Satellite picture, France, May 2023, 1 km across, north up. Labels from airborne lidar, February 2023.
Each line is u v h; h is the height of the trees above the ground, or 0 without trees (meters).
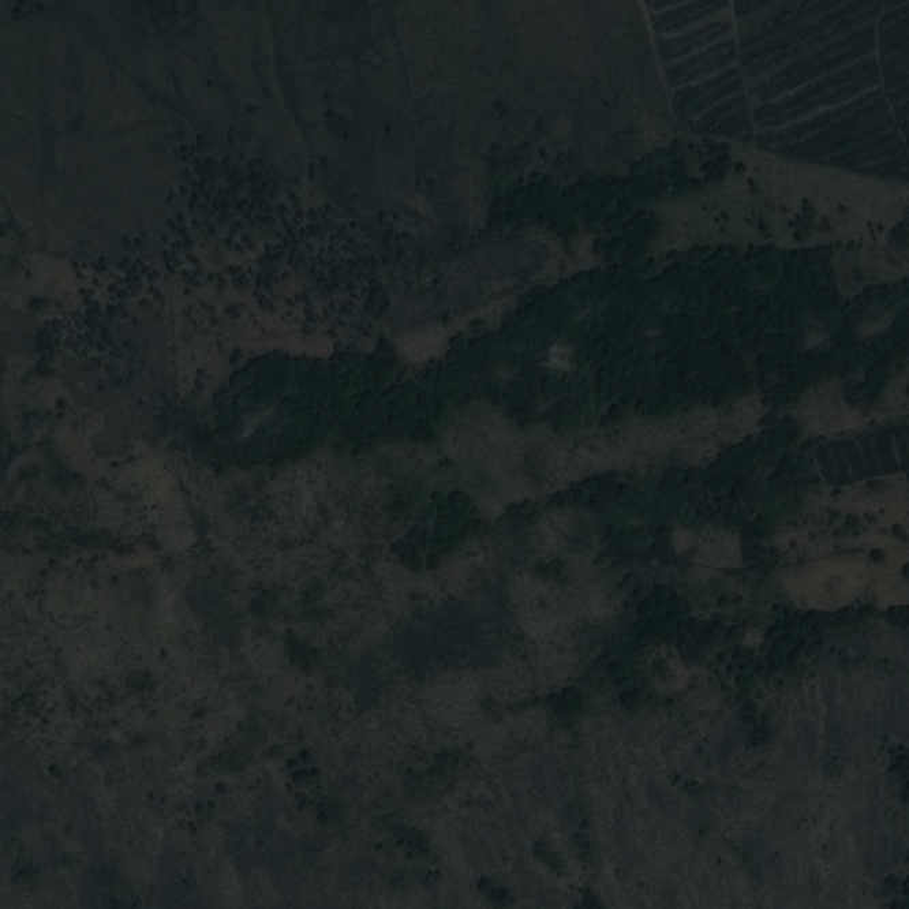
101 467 0
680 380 14
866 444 0
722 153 8
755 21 0
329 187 0
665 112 0
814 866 0
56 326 11
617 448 0
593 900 7
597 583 0
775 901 0
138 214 0
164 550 0
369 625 0
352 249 15
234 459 9
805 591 0
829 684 0
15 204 0
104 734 0
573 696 14
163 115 0
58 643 0
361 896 0
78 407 0
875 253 0
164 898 0
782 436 11
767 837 0
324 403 9
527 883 0
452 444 0
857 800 0
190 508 0
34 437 0
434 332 0
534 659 0
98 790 0
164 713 0
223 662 0
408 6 0
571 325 7
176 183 0
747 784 0
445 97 0
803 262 14
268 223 13
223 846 0
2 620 0
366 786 0
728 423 0
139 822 0
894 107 0
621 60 0
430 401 9
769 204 0
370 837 0
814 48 0
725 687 6
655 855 0
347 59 0
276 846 0
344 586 0
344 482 0
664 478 7
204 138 11
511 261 0
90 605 0
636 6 0
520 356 11
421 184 8
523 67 0
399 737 0
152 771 0
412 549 14
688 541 0
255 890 0
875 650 0
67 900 0
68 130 0
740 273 13
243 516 0
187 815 0
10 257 0
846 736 0
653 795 0
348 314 17
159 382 0
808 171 0
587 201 11
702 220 0
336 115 10
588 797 0
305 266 15
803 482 6
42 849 0
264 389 11
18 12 11
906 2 0
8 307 0
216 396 5
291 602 0
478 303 0
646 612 11
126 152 0
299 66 0
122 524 0
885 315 6
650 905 0
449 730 0
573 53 0
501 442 0
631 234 10
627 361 11
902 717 0
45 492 0
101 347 12
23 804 0
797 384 14
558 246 0
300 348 0
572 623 0
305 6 0
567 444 0
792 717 0
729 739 0
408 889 0
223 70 0
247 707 0
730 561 0
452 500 11
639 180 7
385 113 0
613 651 6
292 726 0
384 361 9
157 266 0
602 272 10
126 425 0
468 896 0
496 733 0
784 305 10
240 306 7
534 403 8
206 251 0
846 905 0
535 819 0
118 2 0
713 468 12
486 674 0
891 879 10
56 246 0
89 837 0
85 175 0
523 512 8
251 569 0
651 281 7
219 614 0
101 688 0
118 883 0
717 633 14
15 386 0
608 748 0
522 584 0
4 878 0
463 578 0
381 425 11
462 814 0
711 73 0
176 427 0
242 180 15
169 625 0
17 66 0
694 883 0
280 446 14
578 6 0
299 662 6
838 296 10
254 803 0
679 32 0
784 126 0
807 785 0
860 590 0
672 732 0
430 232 0
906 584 0
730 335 12
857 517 9
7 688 0
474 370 10
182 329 0
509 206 11
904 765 15
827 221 11
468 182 0
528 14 0
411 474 0
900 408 0
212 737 0
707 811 0
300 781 14
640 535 6
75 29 0
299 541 0
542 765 0
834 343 12
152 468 0
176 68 0
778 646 14
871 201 0
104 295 0
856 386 8
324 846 0
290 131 0
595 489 10
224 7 0
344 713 0
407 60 0
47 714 0
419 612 0
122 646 0
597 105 0
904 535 6
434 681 0
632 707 14
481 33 0
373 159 0
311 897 0
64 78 0
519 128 0
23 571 0
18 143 0
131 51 0
